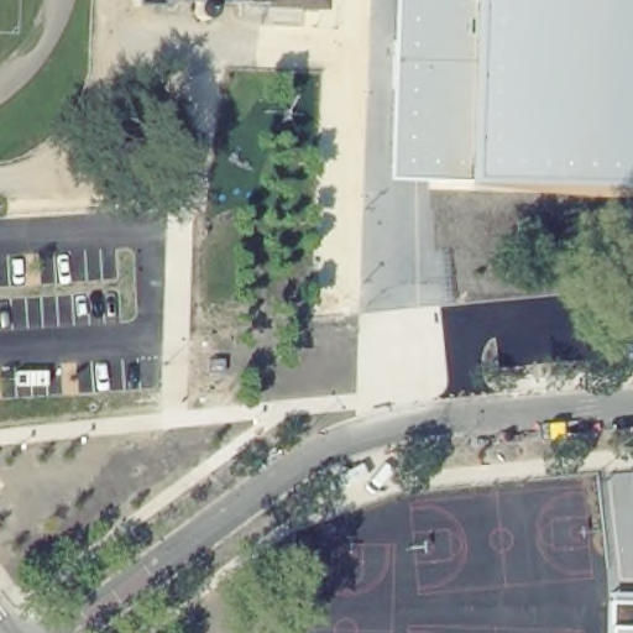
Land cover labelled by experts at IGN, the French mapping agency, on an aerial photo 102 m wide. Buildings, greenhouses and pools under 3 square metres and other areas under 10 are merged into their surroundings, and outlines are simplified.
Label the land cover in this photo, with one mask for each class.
<instances>
[{"label":"impervious surface","instance_id":"1","mask_svg":"<svg viewBox=\"0 0 633 633\"><path fill-rule=\"evenodd\" d=\"M74 0H45L35 17V25L42 27V37L37 40V45L25 54L12 52L10 59L0 64V104L15 96L45 64L72 15ZM398 0H371L361 304L344 319L319 321L312 314L314 341L309 349H297V368L282 371L279 366L274 368L272 388L265 393V398L257 406L237 403L215 408H188L183 403L190 373V265L195 213L183 210L168 215V227H163L153 218H134L131 225H121L119 220H114L84 213L0 220V284H7L10 277L15 284H22V257L27 255L40 257L42 282H52L57 277L59 284H69V279L114 277L119 250H131L136 270V317L131 321H121L119 297H104L101 292H91L89 299L84 294H74L72 299H0V393L5 398H45L59 396L62 391V378L57 371L62 363L77 366L79 391L89 393L91 386H96L99 391L158 388L156 413L52 420L42 425L27 423L0 430V445L25 448L30 443L72 440L79 435L99 438L227 423L230 438L223 443V448L215 450L210 457L200 460V465L188 470L173 485L148 497L136 509V517L141 522H148L185 492H190L193 499H200L203 504L193 524L168 537V542L156 554H148L143 559L136 556V566L124 574L109 569L104 571V579L96 586V598L91 603H84L82 618L69 631H49L40 626L45 606L35 608L32 601L25 598L22 588L12 576L0 566V633H185L181 626V616L188 608L200 606L202 600L218 588L227 576H232V571L240 564L257 561L252 556L255 544L274 542L279 551H287L292 546L317 551L321 564L326 566V576L321 579L314 601L326 608L329 623L314 626L307 633H608V596L618 591L633 593V383L623 381L621 388L611 396H593L581 388L584 371H576L571 378L551 376L549 361H576L581 366L591 346L576 339L571 314L559 302V297H529L517 302L467 304L470 297L460 292L457 284L455 252L443 255L433 245L430 195L435 190L428 188V183H401L391 178V57L396 40ZM480 363L497 366L504 371V376H517V386L512 391L490 393L487 383L482 381V371L477 368ZM356 410L349 420H339L304 433L297 445L282 450L277 425L284 420L292 413ZM584 418H591L593 430L598 435L613 433L611 450H593L586 457H554L495 460L490 465L470 467H450L445 462L438 475L430 477V482L403 470V455L398 452L406 448V433L410 438L423 439L495 435V443H502L504 438L517 440L529 435H544L546 430H551V435L556 438L571 430ZM250 440L270 443V457L260 467V472L237 477L230 490L210 497V472L230 465V460ZM309 472H331L344 480V497L336 502L339 517L321 522V514L312 512L307 527L289 532L287 524H274L267 509L287 499L297 482H309ZM146 588H163L168 606L166 611L156 613L151 626H146L141 616L134 611V601L141 598ZM257 17L277 27L304 25L309 10L257 2ZM279 72H292L294 77V104L279 106L263 101H257L250 114L240 116L230 96L220 99L218 104L213 141L215 158L213 166L203 171L200 176L210 181L208 198V203L218 213H235L237 208L250 205L252 190H257L260 185V171L267 153L257 143L260 134H292L299 148H317L321 138L317 124L321 79L312 74L309 57L304 52L284 54L277 67ZM138 522H131L126 514L119 512L109 529L94 539L89 537V542L99 549L101 544H109L119 537L126 529H134Z\"/></svg>","mask_w":633,"mask_h":633},{"label":"deciduous trees","instance_id":"2","mask_svg":"<svg viewBox=\"0 0 633 633\"><path fill-rule=\"evenodd\" d=\"M188 69L185 62L163 57L156 49L151 62L121 64L111 79H101L91 87L84 84H79L69 101L62 104L54 124L49 126V138L45 143H52L59 151H64L69 171L84 173L94 190L101 193L109 203H121L119 215L114 220H119L121 225H131L134 218H153L163 227H168V215L183 210V205L195 195L208 198L210 181L200 176L203 171L200 166L208 148L203 143H193V138L181 129L173 104L158 101L148 94L151 82L168 84L173 72ZM263 101L279 106L294 104V77L292 72H279L277 67L271 69L262 85ZM257 143L267 153L260 171V185L287 200L312 195L317 178L324 173L326 166L321 151L317 148H299L292 134H260ZM277 166H287V168H304L307 178H304V181H279V178L274 176V168H277ZM606 208L581 213L576 220V235L556 245L544 232L542 220H522L509 235H502L492 260L475 270V274H487V270H492L504 289L529 297H559V302L571 314L576 339L591 346L581 366L576 361H549L551 376L571 378L576 371H584L581 388L593 396H611L621 388L623 381L633 383V193L621 198H603ZM321 205L312 203L299 215L277 218V213H265V225L282 230H302L319 225ZM255 210L250 205L237 208L235 213V230L242 237L252 235ZM265 250L270 255V277H282L287 282L292 274L289 247L274 237H267ZM235 277L232 294L227 299L250 304L252 331L272 329L270 314H265L262 299L255 302V274L250 250H245L242 245L232 247ZM270 314L289 319L287 326L274 329V359L279 366L282 371L297 368V349L299 321L294 309L284 299H279L270 307ZM477 368L482 371V381L487 383L490 393L512 391L517 386V376H504V371L497 366L480 363ZM265 398V393L260 388V373L247 366L245 371H240L237 403L257 406ZM282 450L297 445L304 433L284 420L277 425ZM554 457H586L593 450L586 438L574 435L571 430L556 438L551 443ZM406 448L398 452L403 455V470L430 482V477L438 475L445 462L438 457V448L423 439L410 438L406 433ZM270 457V443L250 440L230 460V472L237 477L260 472V467ZM344 497V480L331 472H309V482H297L287 499L267 509L274 524H287L289 532L307 527L312 512L321 514V522L339 517L336 502ZM57 544L54 554L37 556L32 549L37 537L30 532H20L15 537V544L25 551V559L17 564V571L12 576L22 588L25 598L32 601L35 608L45 606L40 626L49 631H69L82 618L84 603H91L96 598V586L104 579V571L109 569L124 574L136 566V556L138 546L131 542H121L119 537L109 544H101L99 549L89 542L79 549V544L69 539V532L64 529L59 534H52ZM252 556L257 561L240 564L232 571V576H227L218 588L220 596L215 603L220 618L215 626L223 633H307L314 626L329 623L326 608L314 601L321 579L326 576V566L321 564L317 551L292 546L287 551H279L274 542L255 544ZM168 606L163 588H146L141 598L134 601V611L141 616L146 626H151L156 613L166 611Z\"/></svg>","mask_w":633,"mask_h":633},{"label":"herbaceous vegetation","instance_id":"3","mask_svg":"<svg viewBox=\"0 0 633 633\"><path fill-rule=\"evenodd\" d=\"M45 0H0V64L10 59L12 52L25 54L37 45V40L42 37V27L35 25V17ZM91 0H74L72 15L45 64L15 96L0 104V163L22 161L30 151L45 143L49 138V126L54 124L62 104L69 101L79 84H84L89 69ZM271 69H227L223 84L230 91V96L240 116L250 114L257 101H263L262 85ZM274 176L279 178V181H304V178H307L304 168H287V166H277V168H274ZM312 203V195L287 200L260 185L257 190H252L250 205L255 210L252 235L242 237L235 230V213H218L208 203V198L195 195L183 205V210L195 213L190 265V373L183 403L188 408H215L237 403L240 371H245L247 366L260 373V388L265 393L272 388L274 368L279 366L274 359V329L287 326L289 319L270 314V307L279 299H284L294 309L299 321L297 349H309L314 341L312 314L321 297V287L314 282L317 270L312 262L314 250L321 245L319 225L302 230H282L265 225V213H277V218L299 215ZM267 237H274L289 247L292 274L287 282L282 277H270V255L265 250ZM242 245L245 250H250L255 274V302L262 299L265 314H270L272 329L252 331L250 304L227 299L232 294L235 277L232 247ZM218 351H227L232 356L230 368H225V363L213 356ZM606 208L603 198L542 195L534 203H524L519 195L509 193L435 190L430 195L433 245L443 255L455 252L457 284L460 292L470 297L467 304L517 302L529 297L504 289L492 270H487V274H475V270L492 260L502 235H509L522 220H542L544 232L556 245L576 235V220L581 213ZM91 292H101L104 297H119L121 321H131L136 317V270L131 250H119L114 277L69 279V284H59L57 277L52 282H42L32 289L22 284H15L10 277L7 284H0V299H72L74 294H84L89 299ZM158 388L99 391L96 386H91L89 393L79 391L77 396H64L62 391L59 396L45 398H5L0 393V430L27 423L42 425L52 420L156 413ZM230 438L227 423L99 438L79 435L72 440L30 443L25 448L0 445V566L12 576L17 571V564L25 559V551L15 544V537L20 532H30L37 537L32 549L37 556L54 554L57 544L52 534H59L64 529L69 532V539L79 544V549L89 542V537L94 539L109 529L119 512L126 514L131 522H141L136 517V509L148 497L173 485L188 470L200 465V460L210 457L215 450L223 448V443ZM220 596L218 588L202 600L200 606L188 608L181 616V626L185 633H223L215 626L220 618L215 603Z\"/></svg>","mask_w":633,"mask_h":633},{"label":"building","instance_id":"4","mask_svg":"<svg viewBox=\"0 0 633 633\"><path fill-rule=\"evenodd\" d=\"M205 12L213 17H218L225 2L232 0H203ZM257 2L309 10H326L331 7V0H257ZM391 178L401 183H428V188L435 190L509 193L519 195L524 203H534L542 195L603 198H621L633 193V0H398L396 40L391 57ZM213 356L225 363V368H230L232 356L227 351H218ZM608 633H633V593L618 591L608 596Z\"/></svg>","mask_w":633,"mask_h":633},{"label":"pervious surface","instance_id":"5","mask_svg":"<svg viewBox=\"0 0 633 633\"><path fill-rule=\"evenodd\" d=\"M257 0H232L225 2L218 17H213L205 12L203 0H91L89 69L84 84L91 87L101 79H111L121 64L151 62L156 49L163 57L185 62L188 69L173 72L168 84L151 82L148 94L158 101L173 104L181 129L193 138V143H203L208 148L200 166L203 171L213 166L215 158L213 141L218 104L220 99L230 96V91L223 84L227 69H271L277 67L284 54L304 52L309 57L312 74L321 79L317 124L321 138L317 148L321 151L326 166L324 173L317 178L312 195V203L321 205L319 225L321 245L314 250L312 262L317 270L314 282L321 287V297L312 314L319 321L344 319L361 304L371 0H331V7L326 10H309L304 25L277 27L257 17ZM121 203H109L101 193L94 190L84 173L69 171L64 151H59L52 143H45L30 151L22 161L0 163V220L84 213L114 220L119 215ZM40 257L27 255L22 257V284L32 289L42 282ZM57 371L62 378V391L64 396H77L79 391L77 366L62 363ZM356 410L292 413L284 420L304 433L339 420H349ZM574 435L586 438L593 450H611L613 433L598 435L593 430L591 418H584L571 430ZM438 448V457L445 462L450 467H470L490 465L495 460L554 457L551 443L556 438L551 435V430H546L544 435H529L517 440L504 438L502 443H495V435L423 439ZM237 477L230 472V465L210 472V497L230 490ZM203 504L200 499H193L190 492H185L148 522H138L134 529H126L119 537L121 542H131L138 546L136 556L143 559L148 554H156L168 542V537L193 524Z\"/></svg>","mask_w":633,"mask_h":633}]
</instances>
